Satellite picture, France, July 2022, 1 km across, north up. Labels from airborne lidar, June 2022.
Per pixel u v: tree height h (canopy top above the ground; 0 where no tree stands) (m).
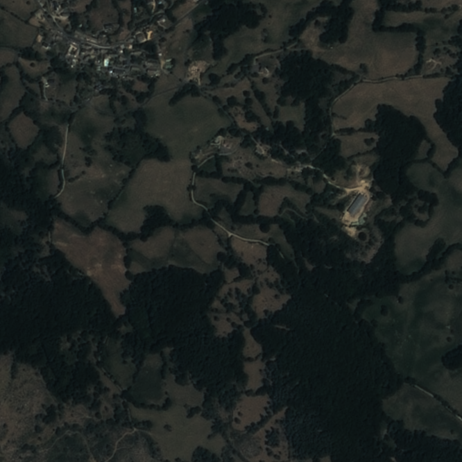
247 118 11
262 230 18
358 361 29
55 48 0
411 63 0
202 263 0
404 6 11
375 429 19
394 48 0
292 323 19
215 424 16
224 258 20
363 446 21
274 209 0
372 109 0
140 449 0
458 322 0
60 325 11
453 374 0
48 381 11
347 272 17
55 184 0
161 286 24
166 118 0
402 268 0
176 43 0
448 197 0
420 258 0
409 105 0
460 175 0
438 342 0
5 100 0
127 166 14
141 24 6
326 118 9
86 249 0
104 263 0
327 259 18
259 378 0
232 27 23
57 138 0
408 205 7
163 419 0
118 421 16
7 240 9
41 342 18
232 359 21
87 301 20
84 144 0
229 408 7
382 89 0
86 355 15
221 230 0
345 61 0
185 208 0
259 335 21
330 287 28
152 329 24
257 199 13
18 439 0
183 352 20
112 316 18
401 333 0
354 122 0
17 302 9
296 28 11
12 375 6
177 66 0
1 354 6
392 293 19
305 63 16
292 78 13
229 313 7
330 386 28
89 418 0
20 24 0
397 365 0
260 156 8
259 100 10
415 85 0
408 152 19
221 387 13
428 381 0
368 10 0
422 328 0
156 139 6
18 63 12
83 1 0
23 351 17
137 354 17
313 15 13
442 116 17
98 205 0
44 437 0
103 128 0
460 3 0
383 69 0
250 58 13
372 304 7
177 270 20
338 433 25
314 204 10
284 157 9
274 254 22
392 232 7
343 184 0
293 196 0
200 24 13
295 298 16
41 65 0
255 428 17
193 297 24
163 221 13
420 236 0
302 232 12
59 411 8
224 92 0
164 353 10
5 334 19
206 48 0
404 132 19
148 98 13
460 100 24
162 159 9
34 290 21
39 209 16
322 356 24
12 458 0
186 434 0
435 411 0
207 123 0
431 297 0
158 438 0
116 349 0
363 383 27
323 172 11
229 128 8
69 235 0
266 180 13
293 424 12
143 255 0
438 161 0
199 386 13
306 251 15
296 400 9
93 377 19
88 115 0
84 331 11
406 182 24
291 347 17
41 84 12
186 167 0
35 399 0
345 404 28
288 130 10
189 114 0
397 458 12
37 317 10
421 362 0
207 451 12
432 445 19
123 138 14
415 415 0
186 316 18
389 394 21
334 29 17
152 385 0
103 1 0
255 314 15
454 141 21
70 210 0
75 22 8
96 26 0
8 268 18
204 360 13
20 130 0
